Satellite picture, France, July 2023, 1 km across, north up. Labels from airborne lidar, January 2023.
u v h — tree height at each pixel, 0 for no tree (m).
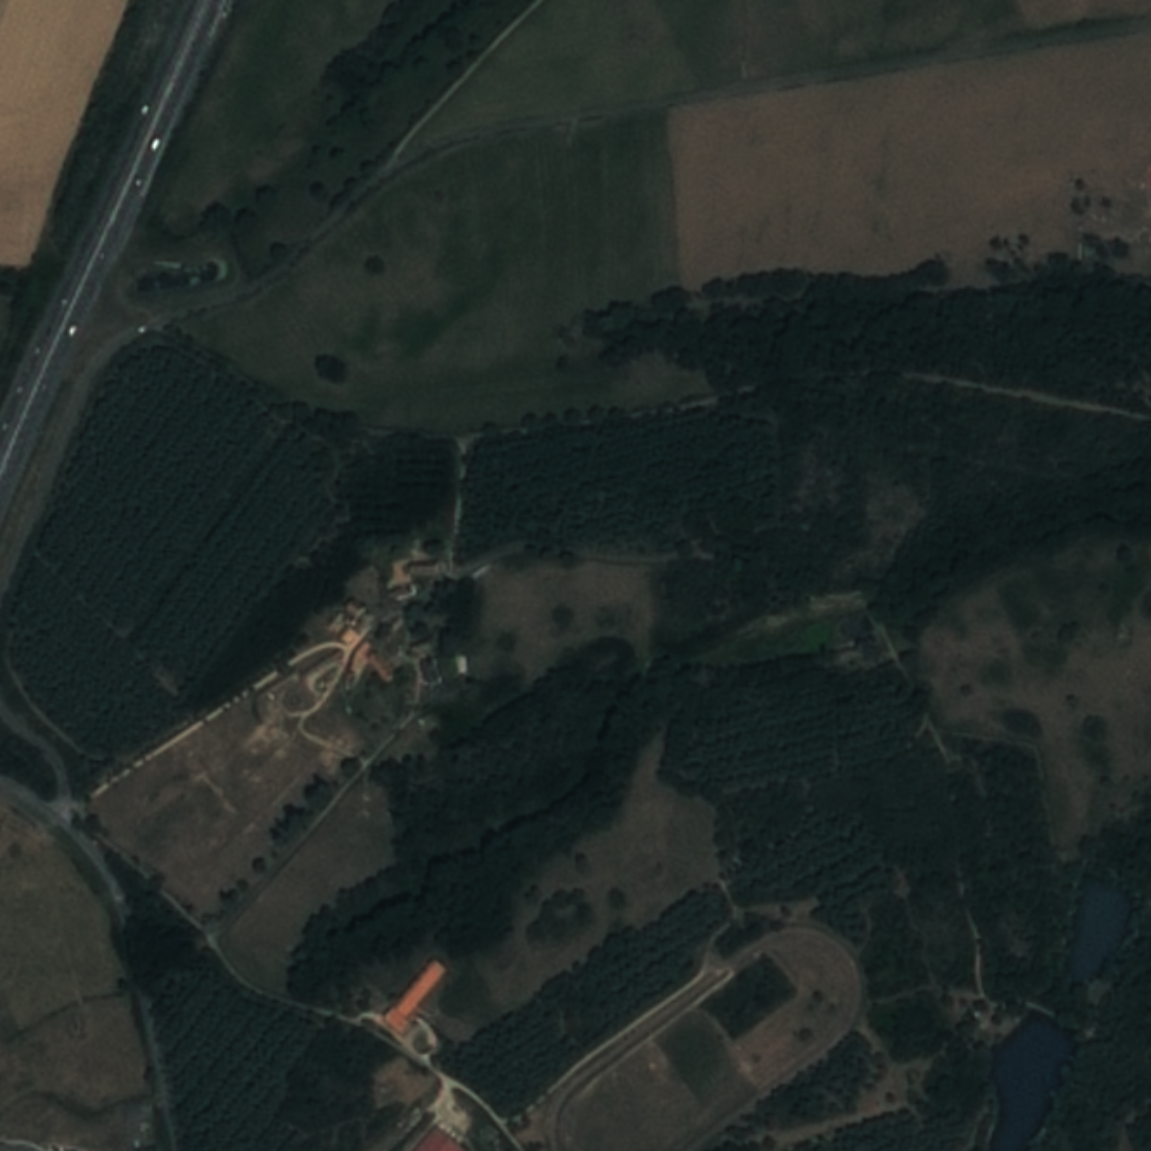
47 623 10
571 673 9
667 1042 0
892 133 0
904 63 0
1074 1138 7
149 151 0
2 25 0
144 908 8
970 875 7
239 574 13
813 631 0
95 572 13
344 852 0
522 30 0
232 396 13
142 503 13
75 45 0
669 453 13
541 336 0
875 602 8
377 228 0
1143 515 8
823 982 0
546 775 7
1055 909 12
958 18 0
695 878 0
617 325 18
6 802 0
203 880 0
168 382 14
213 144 0
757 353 12
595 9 0
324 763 0
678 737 16
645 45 0
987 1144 10
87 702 12
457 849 0
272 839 0
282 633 10
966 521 19
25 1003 0
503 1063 12
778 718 10
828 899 10
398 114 0
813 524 10
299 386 0
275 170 0
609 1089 0
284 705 0
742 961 0
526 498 13
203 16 0
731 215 0
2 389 0
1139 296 22
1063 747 0
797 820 9
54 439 0
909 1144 12
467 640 18
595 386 0
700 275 0
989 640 0
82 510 13
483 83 0
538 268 0
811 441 7
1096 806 0
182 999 12
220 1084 15
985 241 0
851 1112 11
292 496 14
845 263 0
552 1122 0
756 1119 7
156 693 11
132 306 0
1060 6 0
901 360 17
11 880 0
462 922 13
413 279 0
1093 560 0
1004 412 6
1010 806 7
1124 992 12
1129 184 0
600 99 0
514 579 0
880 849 14
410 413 0
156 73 0
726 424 13
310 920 0
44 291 0
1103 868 8
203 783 0
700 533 10
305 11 0
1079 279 9
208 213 0
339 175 0
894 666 7
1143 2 0
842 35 0
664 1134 0
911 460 12
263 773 0
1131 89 0
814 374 13
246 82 0
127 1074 0
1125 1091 8
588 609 0
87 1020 0
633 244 0
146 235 0
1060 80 0
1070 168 0
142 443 15
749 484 12
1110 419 10
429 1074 8
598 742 17
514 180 0
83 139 8
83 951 0
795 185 0
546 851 15
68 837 0
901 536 8
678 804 0
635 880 0
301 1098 8
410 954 13
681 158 0
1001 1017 9
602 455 14
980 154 0
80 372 0
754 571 16
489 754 9
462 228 0
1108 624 0
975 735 0
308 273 0
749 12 0
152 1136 0
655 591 0
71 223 7
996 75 0
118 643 11
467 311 0
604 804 14
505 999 0
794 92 0
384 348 0
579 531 12
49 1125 0
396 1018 0
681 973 10
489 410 0
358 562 10
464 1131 0
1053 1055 0
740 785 9
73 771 7
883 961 6
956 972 8
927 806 10
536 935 7
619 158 0
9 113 0
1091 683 0
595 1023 7
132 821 0
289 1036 13
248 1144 11
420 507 14
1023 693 0
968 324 22
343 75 18
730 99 0
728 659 0
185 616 12
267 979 0
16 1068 0
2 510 0
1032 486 7
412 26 0
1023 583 0
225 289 0
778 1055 0
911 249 0
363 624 0
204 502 12
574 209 0
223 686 9
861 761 12
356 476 9
